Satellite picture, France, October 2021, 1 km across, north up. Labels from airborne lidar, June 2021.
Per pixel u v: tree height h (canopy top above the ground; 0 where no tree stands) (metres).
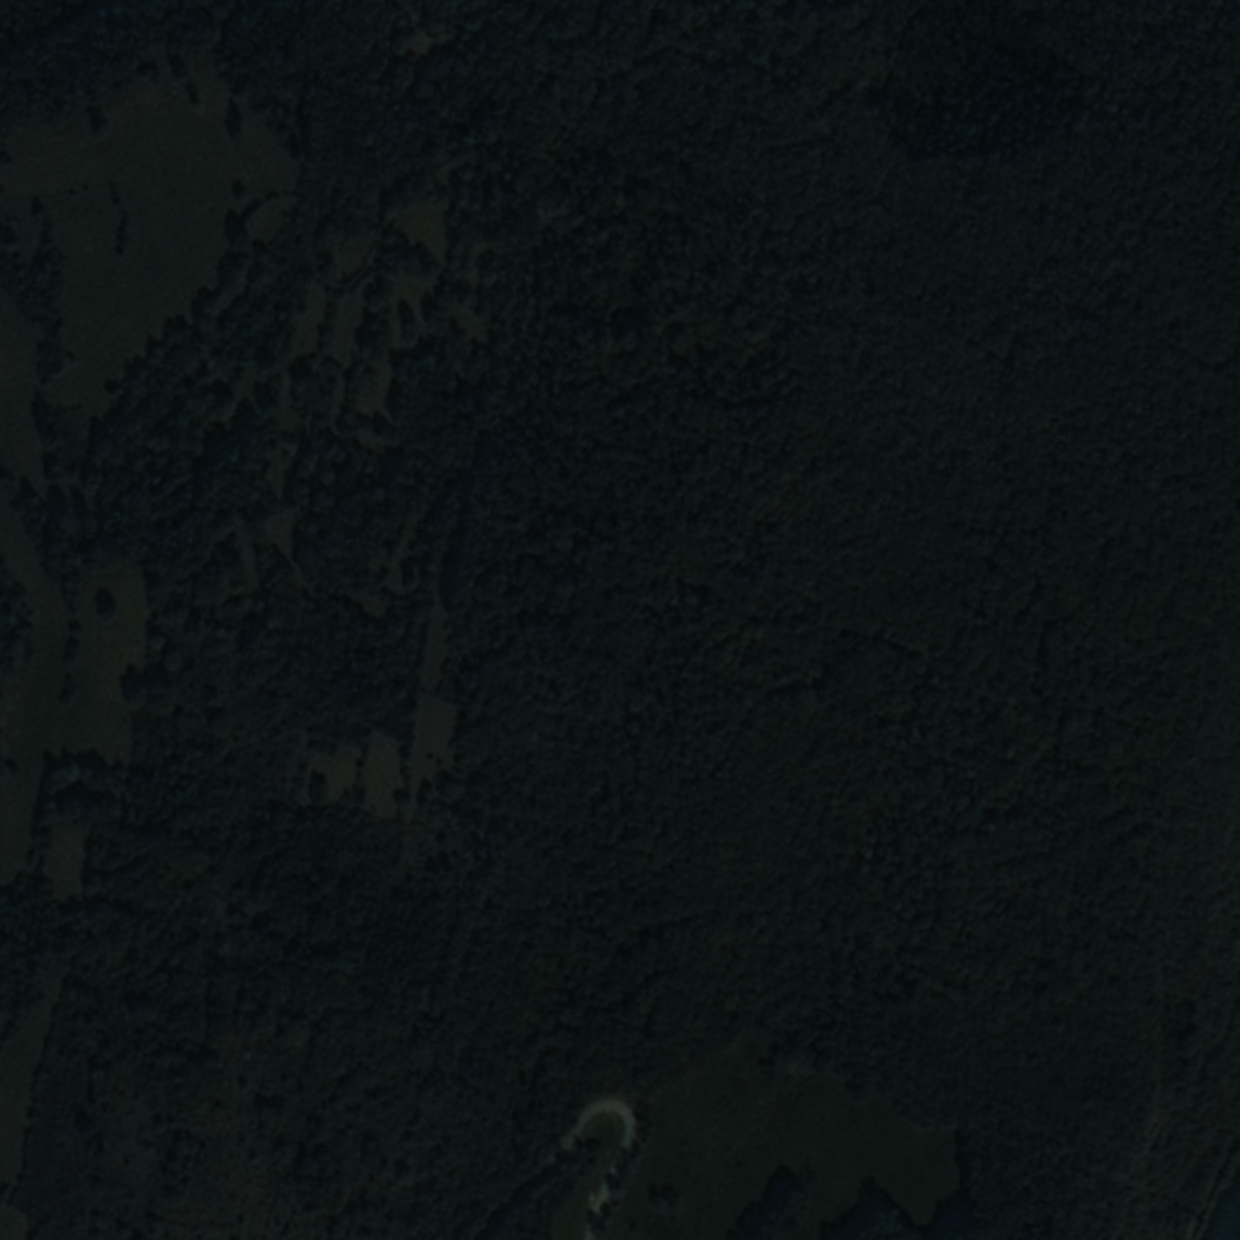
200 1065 16
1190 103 11
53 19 13
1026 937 19
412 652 8
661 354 21
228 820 9
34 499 11
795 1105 0
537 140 17
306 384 15
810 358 14
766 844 17
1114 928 14
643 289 16
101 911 14
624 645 18
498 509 17
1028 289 12
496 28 13
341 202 6
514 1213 16
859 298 11
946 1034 21
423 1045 14
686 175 16
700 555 18
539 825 10
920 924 19
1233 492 11
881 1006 18
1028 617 20
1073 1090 13
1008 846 19
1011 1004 19
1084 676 18
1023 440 13
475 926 14
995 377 9
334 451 15
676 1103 0
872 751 18
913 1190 0
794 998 20
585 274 17
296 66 16
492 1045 16
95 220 0
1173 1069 6
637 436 22
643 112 16
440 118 20
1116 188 9
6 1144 0
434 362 15
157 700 16
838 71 14
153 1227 9
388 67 9
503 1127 8
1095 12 25
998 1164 22
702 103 12
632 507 17
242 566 13
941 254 17
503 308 16
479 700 9
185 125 0
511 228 16
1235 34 14
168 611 10
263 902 15
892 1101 10
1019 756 18
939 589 21
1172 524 15
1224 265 10
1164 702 19
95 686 0
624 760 20
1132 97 14
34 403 0
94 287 0
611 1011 19
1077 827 19
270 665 14
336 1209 10
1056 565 20
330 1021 10
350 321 0
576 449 17
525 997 22
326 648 20
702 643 17
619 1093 17
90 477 11
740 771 18
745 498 17
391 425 12
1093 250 7
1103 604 19
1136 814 18
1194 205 10
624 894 20
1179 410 13
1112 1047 12
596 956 19
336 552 24
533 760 8
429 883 7
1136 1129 8
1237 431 9
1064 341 9
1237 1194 0
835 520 14
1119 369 10
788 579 15
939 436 12
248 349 12
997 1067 20
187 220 0
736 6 15
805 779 17
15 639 9
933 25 12
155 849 14
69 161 0
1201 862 14
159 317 0
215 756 10
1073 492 16
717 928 25
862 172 13
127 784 6
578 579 21
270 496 9
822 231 16
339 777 0
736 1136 0
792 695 19
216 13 16
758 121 9
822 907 21
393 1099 13
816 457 17
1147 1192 9
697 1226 0
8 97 22
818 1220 0
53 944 11
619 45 15
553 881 14
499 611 17
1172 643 16
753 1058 0
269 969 20
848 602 19
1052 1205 17
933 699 22
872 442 14
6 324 0
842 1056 12
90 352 0
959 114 16
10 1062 0
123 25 19
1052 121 24
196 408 17
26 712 0
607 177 22
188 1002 14
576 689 10
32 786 0
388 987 15
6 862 0
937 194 13
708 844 20
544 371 14
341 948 23
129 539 17
